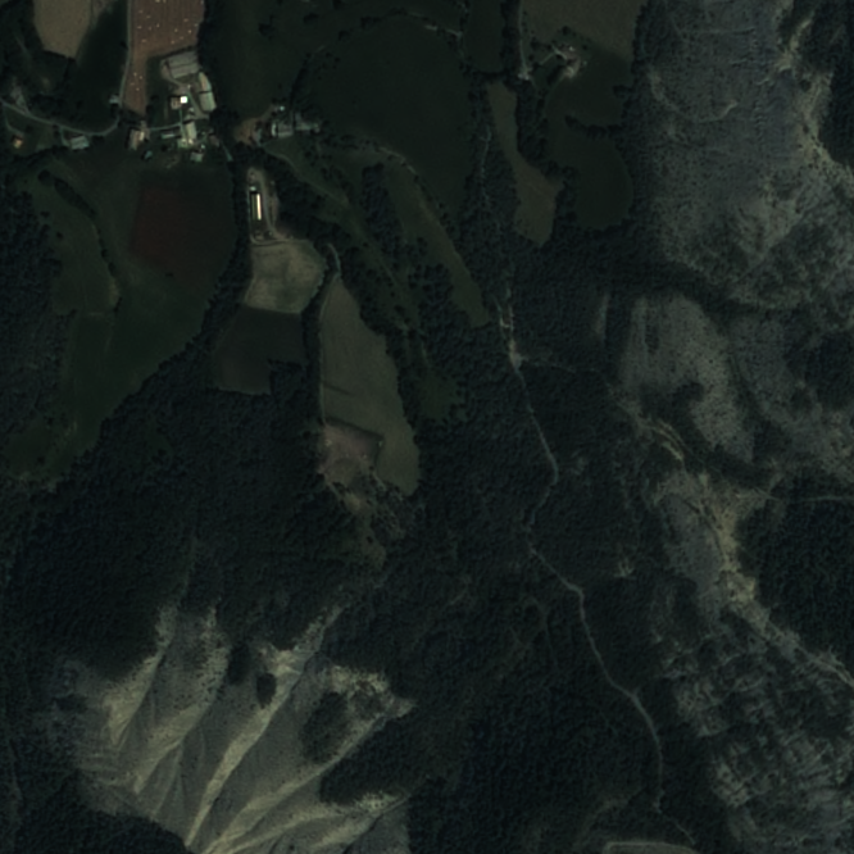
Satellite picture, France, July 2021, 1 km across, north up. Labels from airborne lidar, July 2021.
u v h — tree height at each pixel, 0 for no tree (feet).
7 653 31
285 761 0
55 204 0
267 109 0
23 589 83
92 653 29
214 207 0
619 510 22
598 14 0
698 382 31
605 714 26
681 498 0
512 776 67
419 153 0
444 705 33
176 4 0
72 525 95
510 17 78
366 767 40
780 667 22
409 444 0
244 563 51
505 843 35
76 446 0
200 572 42
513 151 0
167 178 0
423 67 0
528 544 32
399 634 51
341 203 0
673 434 0
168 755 0
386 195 46
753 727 22
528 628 48
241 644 25
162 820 0
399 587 26
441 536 60
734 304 29
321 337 41
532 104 58
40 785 45
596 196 0
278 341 0
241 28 0
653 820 26
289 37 0
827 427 0
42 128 0
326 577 57
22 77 26
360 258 34
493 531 35
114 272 31
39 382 39
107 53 0
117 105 38
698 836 33
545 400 18
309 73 27
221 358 0
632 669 21
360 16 0
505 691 35
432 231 0
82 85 0
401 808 0
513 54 51
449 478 61
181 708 0
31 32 47
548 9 0
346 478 0
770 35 0
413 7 0
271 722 0
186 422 67
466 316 30
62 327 43
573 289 29
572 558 28
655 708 35
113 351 0
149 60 0
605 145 0
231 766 0
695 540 0
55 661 20
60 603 91
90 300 0
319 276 0
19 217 48
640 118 26
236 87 0
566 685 40
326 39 0
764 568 33
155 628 33
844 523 63
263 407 58
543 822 24
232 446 62
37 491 36
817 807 0
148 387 50
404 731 42
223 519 60
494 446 51
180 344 0
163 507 75
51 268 60
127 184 0
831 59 29
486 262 37
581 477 17
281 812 0
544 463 31
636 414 0
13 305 57
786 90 0
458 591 23
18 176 47
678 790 30
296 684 0
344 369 0
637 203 23
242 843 0
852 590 63
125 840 49
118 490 94
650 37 27
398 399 0
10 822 45
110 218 0
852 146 32
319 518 73
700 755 31
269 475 63
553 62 0
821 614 39
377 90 0
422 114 0
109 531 94
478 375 30
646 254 39
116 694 0
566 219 52
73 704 26
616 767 63
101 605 90
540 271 57
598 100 0
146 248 0
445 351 44
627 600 19
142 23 0
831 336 22
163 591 40
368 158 0
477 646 64
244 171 43
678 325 0
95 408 0
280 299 0
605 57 0
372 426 0
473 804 47
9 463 23
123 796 0
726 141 0
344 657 28
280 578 47
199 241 0
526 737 55
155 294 0
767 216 0
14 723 28
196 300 0
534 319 38
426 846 42
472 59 35
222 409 70
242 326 0
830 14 41
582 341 20
